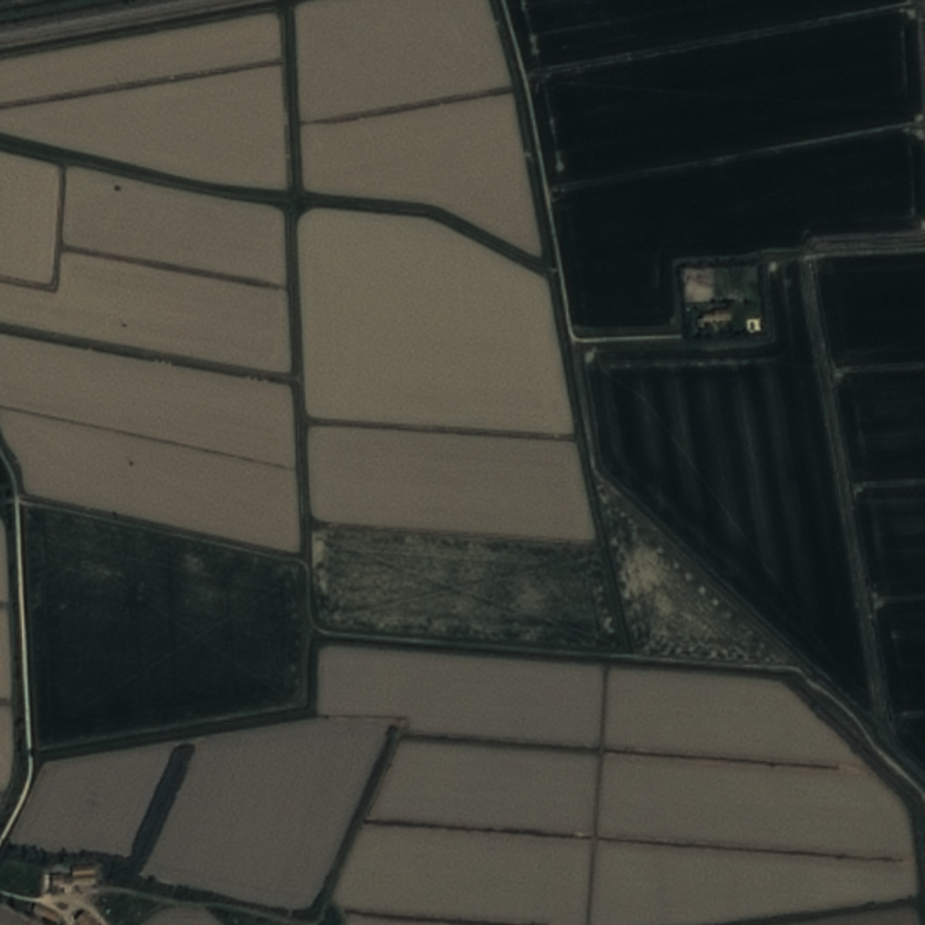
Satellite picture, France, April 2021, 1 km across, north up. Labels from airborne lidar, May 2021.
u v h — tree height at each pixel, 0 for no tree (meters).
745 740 0
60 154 0
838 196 0
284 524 0
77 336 0
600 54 0
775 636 0
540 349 0
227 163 0
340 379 0
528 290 0
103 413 0
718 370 0
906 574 0
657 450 0
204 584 0
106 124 0
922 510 0
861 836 0
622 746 0
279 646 0
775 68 0
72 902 0
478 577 0
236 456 0
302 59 0
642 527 0
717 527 0
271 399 0
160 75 0
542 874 0
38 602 0
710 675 0
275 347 0
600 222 0
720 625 0
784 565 0
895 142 0
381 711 0
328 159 0
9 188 0
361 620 0
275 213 0
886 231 0
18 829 0
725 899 0
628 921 0
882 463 0
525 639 0
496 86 0
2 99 0
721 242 0
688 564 0
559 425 0
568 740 0
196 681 0
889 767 0
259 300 0
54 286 0
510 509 0
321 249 0
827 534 0
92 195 0
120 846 0
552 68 0
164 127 0
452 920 0
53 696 0
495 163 0
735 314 0
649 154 0
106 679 0
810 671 0
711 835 0
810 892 0
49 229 0
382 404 0
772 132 0
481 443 0
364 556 0
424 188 0
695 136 0
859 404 0
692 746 0
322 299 0
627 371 0
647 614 0
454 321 0
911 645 0
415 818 0
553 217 0
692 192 0
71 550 0
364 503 0
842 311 0
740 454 0
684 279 6
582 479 0
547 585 0
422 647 0
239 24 0
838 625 0
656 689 0
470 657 0
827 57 0
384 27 0
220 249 0
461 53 0
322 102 0
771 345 0
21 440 0
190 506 0
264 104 0
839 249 0
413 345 0
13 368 0
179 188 0
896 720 0
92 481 0
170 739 0
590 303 0
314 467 0
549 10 0
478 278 0
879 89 0
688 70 0
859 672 0
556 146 0
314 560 0
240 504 0
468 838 0
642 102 0
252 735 0
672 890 0
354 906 0
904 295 0
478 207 0
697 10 0
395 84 0
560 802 0
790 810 0
